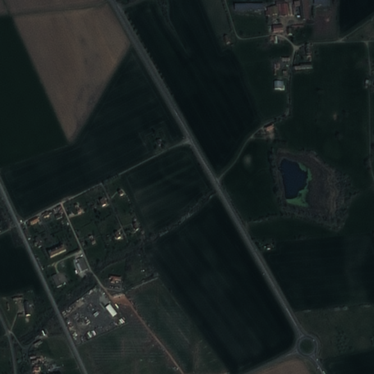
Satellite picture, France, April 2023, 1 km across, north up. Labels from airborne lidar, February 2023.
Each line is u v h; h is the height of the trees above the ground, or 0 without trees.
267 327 0
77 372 0
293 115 0
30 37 0
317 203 0
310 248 0
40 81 0
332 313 0
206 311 0
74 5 0
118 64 0
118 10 0
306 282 0
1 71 0
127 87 0
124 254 17
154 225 0
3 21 0
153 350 0
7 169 0
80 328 0
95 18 0
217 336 0
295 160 0
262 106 0
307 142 0
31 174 0
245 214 0
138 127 0
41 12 0
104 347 0
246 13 0
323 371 0
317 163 0
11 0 0
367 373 0
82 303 0
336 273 0
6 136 0
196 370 0
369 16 0
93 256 0
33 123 0
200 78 0
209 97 0
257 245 11
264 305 0
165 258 0
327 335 0
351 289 0
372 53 0
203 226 0
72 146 0
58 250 0
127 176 0
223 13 0
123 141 0
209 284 0
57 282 0
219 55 0
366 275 0
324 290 0
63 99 0
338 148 0
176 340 0
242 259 0
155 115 0
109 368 0
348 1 0
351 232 0
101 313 0
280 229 0
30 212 0
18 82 0
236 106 0
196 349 0
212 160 0
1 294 0
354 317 0
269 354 0
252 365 0
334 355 0
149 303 0
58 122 0
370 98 0
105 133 0
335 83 0
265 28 0
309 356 0
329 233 0
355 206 0
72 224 0
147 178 0
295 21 0
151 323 0
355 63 0
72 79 0
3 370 0
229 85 0
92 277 15
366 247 0
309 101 0
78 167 0
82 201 0
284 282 0
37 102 0
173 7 0
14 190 0
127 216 0
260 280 0
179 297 0
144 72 0
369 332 0
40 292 0
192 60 0
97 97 0
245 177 0
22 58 0
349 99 0
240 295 0
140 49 0
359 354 0
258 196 0
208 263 0
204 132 0
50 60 0
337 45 0
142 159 0
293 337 0
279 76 0
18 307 0
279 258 0
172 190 0
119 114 0
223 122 0
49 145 0
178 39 0
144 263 7
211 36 0
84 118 0
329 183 0
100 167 0
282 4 0
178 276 0
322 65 0
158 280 0
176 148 0
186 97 0
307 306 0
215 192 11
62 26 0
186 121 0
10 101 0
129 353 0
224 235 0
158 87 0
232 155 0
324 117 0
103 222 8
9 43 0
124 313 0
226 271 0
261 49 0
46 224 0
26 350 0
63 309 13
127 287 0
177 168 0
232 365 0
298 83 0
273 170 18
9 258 0
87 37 0
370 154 0
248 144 0
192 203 0
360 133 0
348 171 0
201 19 0
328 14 0
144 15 0
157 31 0
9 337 0
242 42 0
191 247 0
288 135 0
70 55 0
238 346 0
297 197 0
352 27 0
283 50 0
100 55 0
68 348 0
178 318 0
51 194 0
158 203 0
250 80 0
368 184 0
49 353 0
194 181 0
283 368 0
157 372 0
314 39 0
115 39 0
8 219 0
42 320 14
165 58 0
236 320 0
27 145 0
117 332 0
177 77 0
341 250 0
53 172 0
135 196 0
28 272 0
